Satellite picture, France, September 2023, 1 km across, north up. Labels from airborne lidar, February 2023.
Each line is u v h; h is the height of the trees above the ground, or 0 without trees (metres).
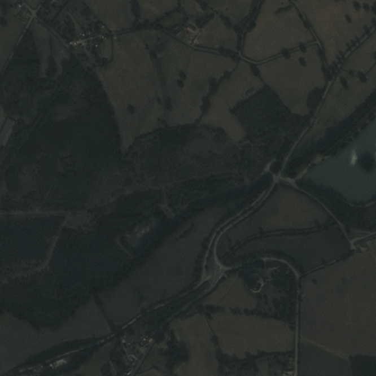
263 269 9
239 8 0
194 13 0
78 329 0
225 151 0
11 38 0
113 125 11
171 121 0
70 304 25
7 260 8
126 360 0
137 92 0
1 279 0
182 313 11
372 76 0
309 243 0
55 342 0
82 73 11
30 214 0
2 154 0
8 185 10
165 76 0
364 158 15
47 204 6
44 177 10
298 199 0
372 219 0
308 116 9
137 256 12
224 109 0
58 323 8
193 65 0
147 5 0
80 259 8
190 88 0
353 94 0
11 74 18
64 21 0
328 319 0
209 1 0
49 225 6
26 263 7
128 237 0
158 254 0
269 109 12
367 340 0
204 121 0
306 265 0
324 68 11
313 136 0
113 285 16
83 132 10
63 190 6
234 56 17
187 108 0
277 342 0
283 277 19
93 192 0
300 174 0
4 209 8
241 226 0
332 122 0
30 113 0
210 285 0
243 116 11
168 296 0
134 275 0
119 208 10
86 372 0
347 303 0
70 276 7
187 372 0
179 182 0
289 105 0
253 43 0
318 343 0
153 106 0
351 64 0
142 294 0
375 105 8
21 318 16
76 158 11
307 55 0
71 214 0
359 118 8
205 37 0
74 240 6
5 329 0
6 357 0
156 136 7
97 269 7
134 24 10
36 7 0
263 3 0
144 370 0
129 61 0
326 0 0
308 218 0
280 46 0
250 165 9
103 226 10
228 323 0
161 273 0
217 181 7
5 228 8
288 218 0
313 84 0
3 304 22
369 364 11
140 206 14
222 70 0
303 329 0
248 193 18
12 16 0
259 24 0
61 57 0
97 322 0
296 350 0
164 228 18
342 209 11
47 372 15
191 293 12
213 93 10
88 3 0
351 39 0
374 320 0
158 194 5
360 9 0
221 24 0
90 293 10
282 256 11
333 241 0
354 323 0
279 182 0
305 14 0
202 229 0
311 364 0
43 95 0
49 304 11
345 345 0
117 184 0
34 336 0
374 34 0
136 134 0
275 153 11
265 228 0
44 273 10
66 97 8
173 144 6
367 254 0
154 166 0
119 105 0
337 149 7
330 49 0
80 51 0
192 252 0
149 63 0
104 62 15
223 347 0
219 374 12
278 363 12
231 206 0
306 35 0
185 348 21
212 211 0
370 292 0
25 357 0
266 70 0
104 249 7
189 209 6
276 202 0
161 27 11
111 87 0
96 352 12
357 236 0
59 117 0
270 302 0
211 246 6
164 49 0
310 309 0
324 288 0
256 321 0
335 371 0
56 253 6
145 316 13
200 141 0
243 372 0
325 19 0
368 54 0
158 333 20
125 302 0
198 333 0
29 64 15
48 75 16
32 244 8
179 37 0
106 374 7
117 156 11
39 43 0
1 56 0
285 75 0
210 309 10
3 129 0
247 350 0
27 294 15
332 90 0
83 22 0
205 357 0
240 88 0
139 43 0
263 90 12
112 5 0
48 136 12
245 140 0
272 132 10
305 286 0
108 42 0
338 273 0
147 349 0
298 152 0
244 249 0
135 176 9
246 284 16
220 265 0
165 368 0
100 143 11
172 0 0
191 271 0
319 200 9
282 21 0
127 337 0
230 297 0
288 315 21
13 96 16
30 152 11
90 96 7
